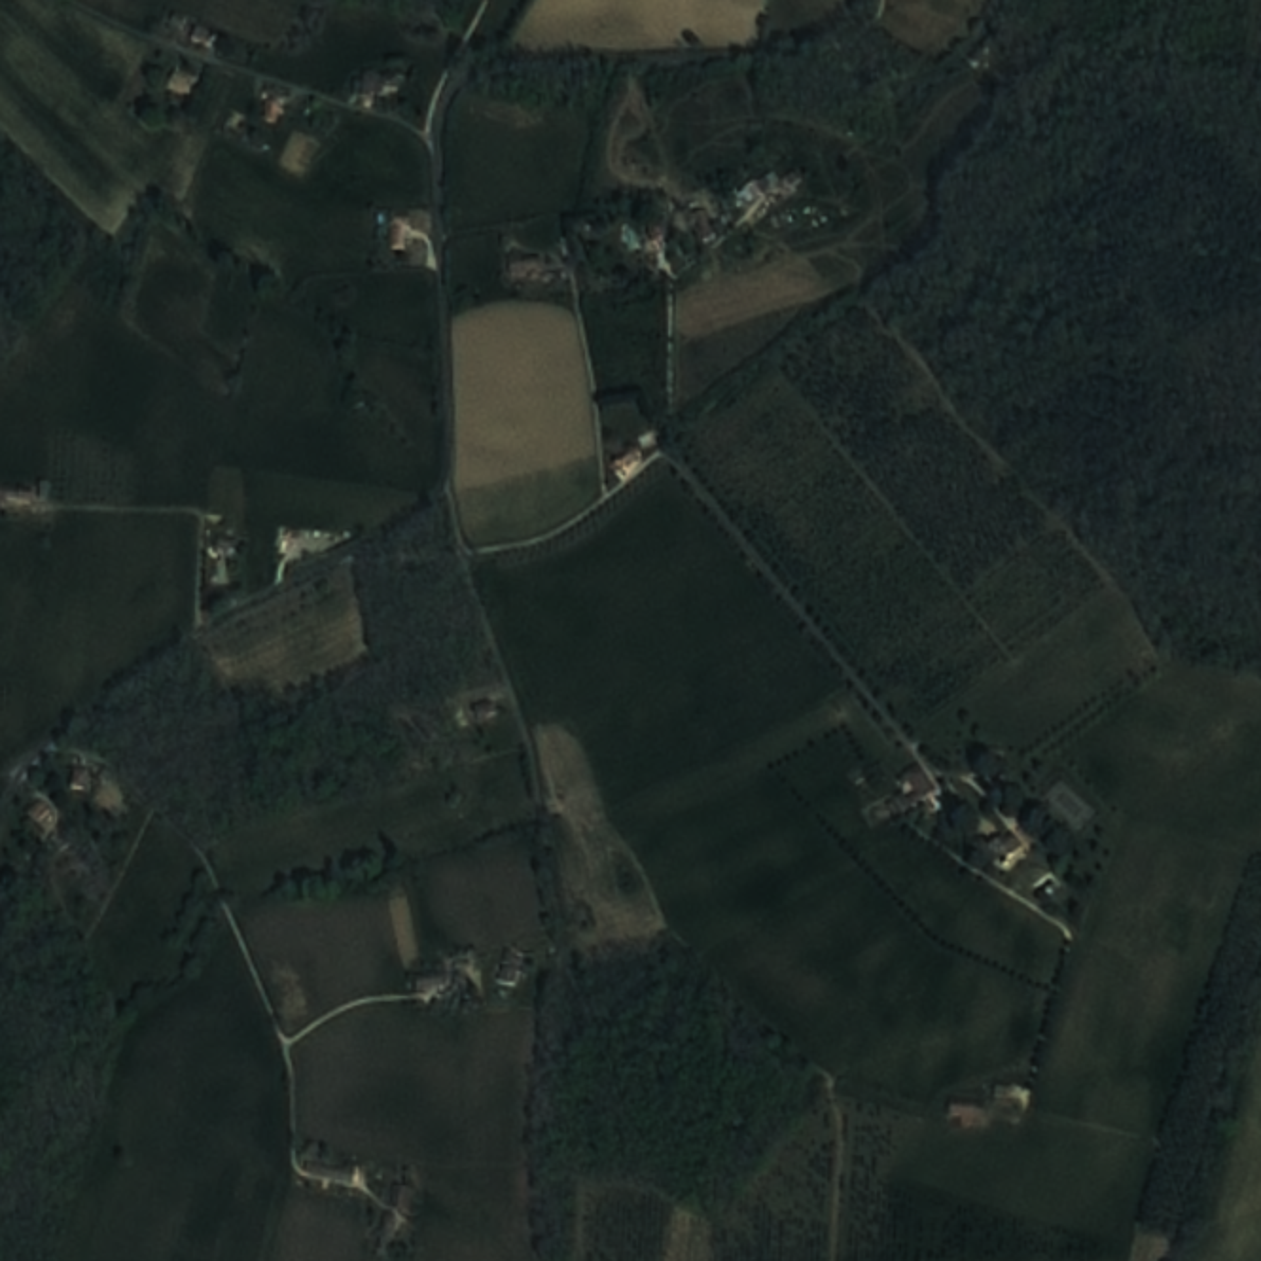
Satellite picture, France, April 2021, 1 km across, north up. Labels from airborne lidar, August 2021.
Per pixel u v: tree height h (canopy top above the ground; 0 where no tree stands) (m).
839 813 0
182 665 21
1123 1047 0
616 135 0
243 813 16
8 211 24
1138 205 17
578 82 20
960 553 9
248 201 0
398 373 0
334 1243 0
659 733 0
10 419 0
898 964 0
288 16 0
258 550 0
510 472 0
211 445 0
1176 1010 0
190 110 19
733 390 6
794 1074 22
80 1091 22
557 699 0
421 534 20
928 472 11
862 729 0
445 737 23
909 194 0
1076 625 0
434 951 0
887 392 10
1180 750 0
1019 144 21
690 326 0
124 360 0
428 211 7
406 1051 0
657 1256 7
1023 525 10
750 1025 15
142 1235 0
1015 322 10
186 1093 0
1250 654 15
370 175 0
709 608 0
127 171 0
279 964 0
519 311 0
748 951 0
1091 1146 0
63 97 0
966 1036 0
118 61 0
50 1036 17
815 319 10
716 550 0
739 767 0
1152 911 0
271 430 0
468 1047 0
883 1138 6
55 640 0
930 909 0
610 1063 22
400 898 0
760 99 15
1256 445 11
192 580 0
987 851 10
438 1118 0
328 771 18
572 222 9
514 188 0
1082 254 20
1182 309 17
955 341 21
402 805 0
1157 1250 0
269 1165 0
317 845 0
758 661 0
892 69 16
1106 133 18
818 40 17
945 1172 0
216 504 0
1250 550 9
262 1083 0
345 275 0
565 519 0
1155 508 16
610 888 0
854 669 12
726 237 8
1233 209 19
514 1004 0
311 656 0
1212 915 0
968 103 0
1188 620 11
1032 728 0
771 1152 17
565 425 0
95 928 0
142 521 0
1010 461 13
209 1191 0
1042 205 18
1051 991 7
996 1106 0
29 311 23
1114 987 0
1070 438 22
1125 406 20
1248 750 0
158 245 0
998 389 20
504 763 0
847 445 8
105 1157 0
